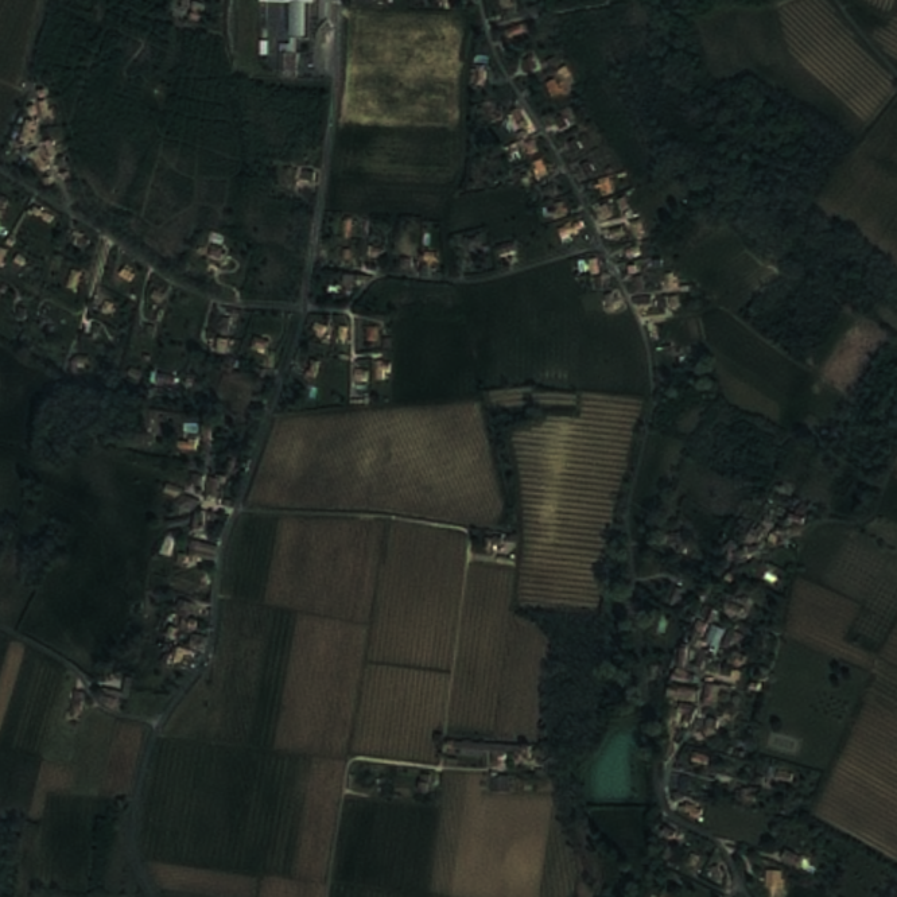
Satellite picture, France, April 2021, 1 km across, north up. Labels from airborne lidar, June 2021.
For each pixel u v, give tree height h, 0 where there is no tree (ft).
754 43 0
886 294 66
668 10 65
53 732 0
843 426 35
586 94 21
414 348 0
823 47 0
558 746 49
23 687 0
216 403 60
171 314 20
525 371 0
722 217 60
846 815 0
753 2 58
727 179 74
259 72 0
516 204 0
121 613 0
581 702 72
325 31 0
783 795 31
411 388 0
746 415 17
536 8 41
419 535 0
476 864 0
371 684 0
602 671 98
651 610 71
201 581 0
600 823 0
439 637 0
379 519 0
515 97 0
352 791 0
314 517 0
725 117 54
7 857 44
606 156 0
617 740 0
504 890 0
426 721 0
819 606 0
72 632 0
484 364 0
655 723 87
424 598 0
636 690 101
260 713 0
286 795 0
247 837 0
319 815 0
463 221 0
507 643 0
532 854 0
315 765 0
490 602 0
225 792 0
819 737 0
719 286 0
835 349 0
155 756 0
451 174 0
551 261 0
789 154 52
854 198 0
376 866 0
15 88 0
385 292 0
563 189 21
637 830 0
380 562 0
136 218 28
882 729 0
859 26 0
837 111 0
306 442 0
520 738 0
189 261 39
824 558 0
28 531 0
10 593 0
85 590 0
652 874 44
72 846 0
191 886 0
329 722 0
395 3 0
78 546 0
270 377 28
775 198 66
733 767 23
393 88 0
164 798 0
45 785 0
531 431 0
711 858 31
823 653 0
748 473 24
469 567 0
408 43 0
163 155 0
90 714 0
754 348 0
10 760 0
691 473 0
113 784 0
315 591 0
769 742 0
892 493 0
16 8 0
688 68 45
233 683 0
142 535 0
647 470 0
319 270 21
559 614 52
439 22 0
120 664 34
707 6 75
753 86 51
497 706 0
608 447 0
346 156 0
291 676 0
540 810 0
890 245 0
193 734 0
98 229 47
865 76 0
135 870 0
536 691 0
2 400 0
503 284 0
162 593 40
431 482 0
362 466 0
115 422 36
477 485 0
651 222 0
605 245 0
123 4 22
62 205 0
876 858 26
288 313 0
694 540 62
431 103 0
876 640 0
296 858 0
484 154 77
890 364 25
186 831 0
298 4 0
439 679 0
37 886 32
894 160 0
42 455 66
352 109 0
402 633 0
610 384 0
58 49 20
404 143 0
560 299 0
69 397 67
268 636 0
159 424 0
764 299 34
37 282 22
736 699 26
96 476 0
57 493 0
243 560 0
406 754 0
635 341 0
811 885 30
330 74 0
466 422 0
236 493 28
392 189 0
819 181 71
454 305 0
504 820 0
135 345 0
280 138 18
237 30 0
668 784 0
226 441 51
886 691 0
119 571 0
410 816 0
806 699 0
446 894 0
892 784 0
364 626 0
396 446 0
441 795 38
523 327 0
